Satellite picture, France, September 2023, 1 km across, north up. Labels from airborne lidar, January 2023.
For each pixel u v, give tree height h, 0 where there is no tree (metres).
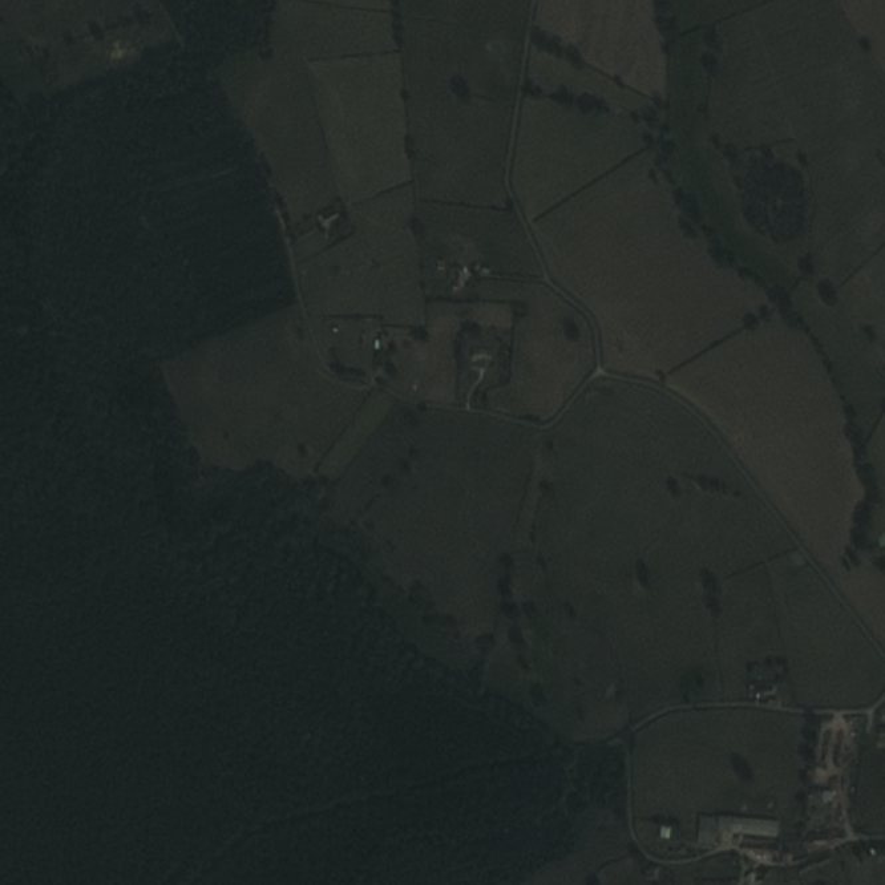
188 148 0
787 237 12
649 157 0
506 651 0
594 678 0
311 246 0
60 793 25
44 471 19
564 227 0
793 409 0
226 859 13
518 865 16
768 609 0
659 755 0
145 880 23
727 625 0
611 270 0
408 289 0
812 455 0
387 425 0
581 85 0
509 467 0
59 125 14
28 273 17
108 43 0
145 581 23
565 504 0
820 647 0
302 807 16
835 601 0
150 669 22
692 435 0
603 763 13
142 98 20
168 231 13
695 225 16
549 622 0
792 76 0
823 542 0
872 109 0
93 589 22
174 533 25
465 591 0
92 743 22
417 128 0
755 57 0
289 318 0
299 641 25
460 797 23
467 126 0
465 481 0
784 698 0
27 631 21
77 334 16
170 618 23
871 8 0
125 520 20
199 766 24
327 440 0
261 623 24
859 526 14
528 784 27
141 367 12
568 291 0
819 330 0
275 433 0
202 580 28
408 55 0
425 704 16
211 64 15
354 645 30
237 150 0
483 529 0
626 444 0
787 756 0
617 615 0
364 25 0
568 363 0
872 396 0
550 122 0
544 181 0
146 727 23
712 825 0
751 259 0
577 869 0
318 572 24
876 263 0
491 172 0
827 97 0
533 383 0
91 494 22
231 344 0
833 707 0
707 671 0
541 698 20
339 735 24
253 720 22
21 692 20
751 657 0
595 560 0
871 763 0
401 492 0
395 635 20
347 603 25
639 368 0
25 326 14
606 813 0
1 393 12
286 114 0
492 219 0
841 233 0
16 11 0
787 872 0
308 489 14
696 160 0
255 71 0
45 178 12
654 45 0
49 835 24
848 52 0
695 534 0
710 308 0
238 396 0
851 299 0
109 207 14
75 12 0
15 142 17
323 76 0
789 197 12
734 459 0
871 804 0
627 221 0
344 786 18
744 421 0
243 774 25
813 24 0
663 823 9
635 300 0
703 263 0
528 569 0
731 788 0
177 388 0
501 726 20
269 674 25
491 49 0
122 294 16
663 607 0
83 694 21
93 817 23
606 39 0
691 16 0
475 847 27
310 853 15
